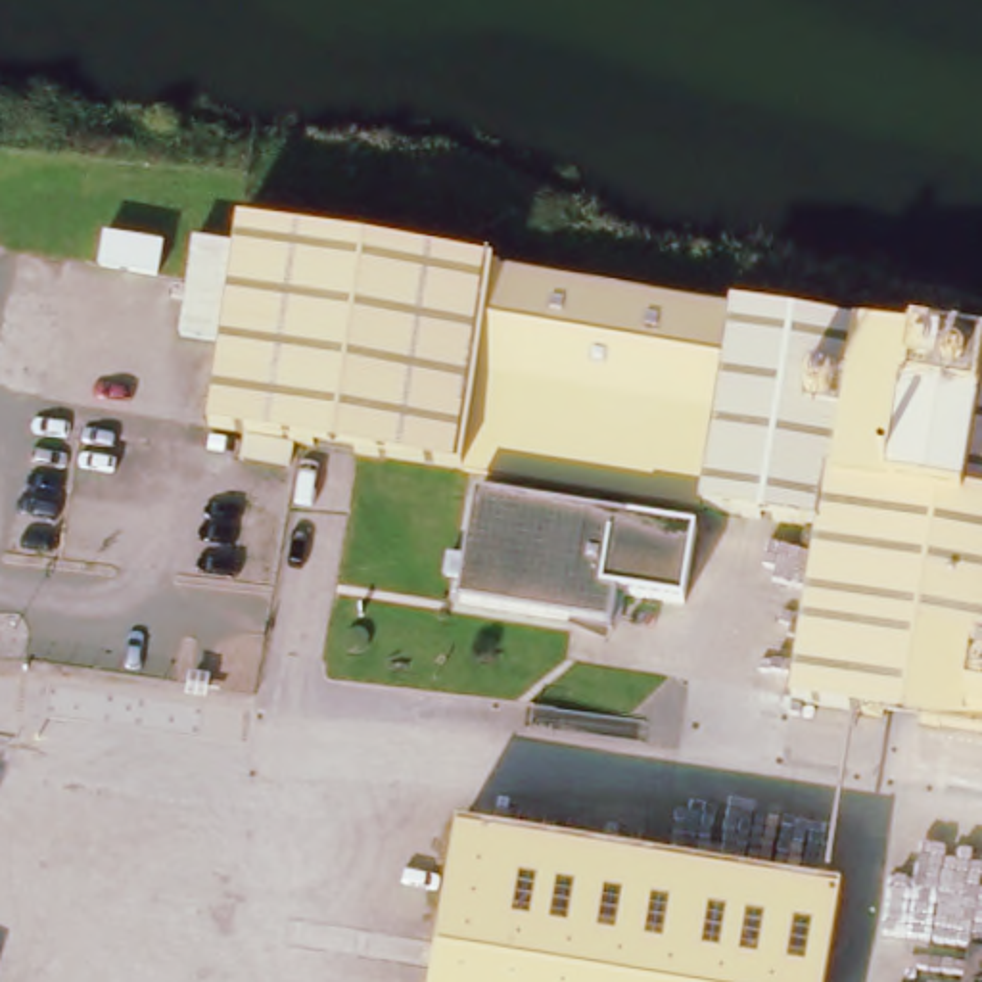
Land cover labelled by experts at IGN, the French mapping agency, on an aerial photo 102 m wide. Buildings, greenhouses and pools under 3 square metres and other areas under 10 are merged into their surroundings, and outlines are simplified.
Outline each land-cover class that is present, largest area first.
<instances>
[{"label":"impervious surface","instance_id":"1","mask_svg":"<svg viewBox=\"0 0 982 982\"><path fill-rule=\"evenodd\" d=\"M184 272L173 276L157 269L153 276H146L107 269L96 253L69 261L23 249L8 253L0 246V982H426L430 940L445 894L441 871L449 859L453 825L483 813L832 871L840 875V898L832 917L825 982H982V710L921 706L913 713L909 706L886 710L878 698H863L844 710L790 690L786 664L798 641V598L763 583L760 564L775 552L783 575H802L809 560L806 526H779L771 514H725L702 499L690 503L698 533L690 552V579L683 583V606H660V618L652 621H621L610 637L572 629L568 637V652L579 664L664 675V687L637 710H602L572 698H552L549 690L537 694V702H510L487 694L334 679L326 667V629L338 602L334 591L341 583V556L353 518V479L364 456L341 441H326L322 449L303 445L288 426L280 433L242 437V430L207 426V372L215 349L203 338L180 330Z\"/></svg>","mask_w":982,"mask_h":982},{"label":"building","instance_id":"2","mask_svg":"<svg viewBox=\"0 0 982 982\"><path fill-rule=\"evenodd\" d=\"M180 330L203 338L215 349L207 372V426L242 430V437L280 433L288 426L303 445L322 449L326 441H341L364 456L449 468L464 476L468 522L456 537V579H449L456 614L541 625L568 637L572 629L610 637L621 621H652L660 618V606H683V583L690 579V552L698 533L690 503L702 499L725 514H771L779 526H806L809 560L802 575H783L775 552L760 564L763 583L798 598V641L786 664L790 690L844 710L863 698H878L886 710L909 706L913 713L921 706L982 710V315L913 307H832L767 292L698 295L614 276L522 265L495 257L491 246L476 242L269 207H234L230 234H192L184 272ZM96 253L107 269L146 276H153L157 269V234L111 226L100 230ZM445 894L430 940L426 982H825L832 917L840 898V875L832 871L483 813L453 825L449 859L441 871Z\"/></svg>","mask_w":982,"mask_h":982},{"label":"water","instance_id":"3","mask_svg":"<svg viewBox=\"0 0 982 982\"><path fill-rule=\"evenodd\" d=\"M50 81L81 100H134L146 107H169L176 119L222 123L238 130V138L280 142L276 127H303L311 142H364L376 150H395L410 157L414 173L426 176L430 188H456L460 196L479 199L491 215L518 222L533 219L537 230H602L614 238L660 246L667 253H729L737 265H779L802 246L817 257H848L913 280L921 288L913 307L982 315V0H0V92L27 96L35 84Z\"/></svg>","mask_w":982,"mask_h":982},{"label":"herbaceous vegetation","instance_id":"4","mask_svg":"<svg viewBox=\"0 0 982 982\"><path fill-rule=\"evenodd\" d=\"M280 142L238 138L249 150V173L207 165L199 157L161 161L146 153L111 157L81 150L0 146V246L8 253L23 249L69 261L96 253L100 230L111 226L157 234V269L173 276L184 272L192 234H230L234 207H269L476 242L491 246L495 257L522 265L614 276L698 295L767 292L832 307H913L921 288L913 280L848 257H817L802 246L779 265H737L729 253H667L660 246L614 238L602 230H537L533 219L518 222L491 215L479 199L460 196L456 188H430L426 176L414 173L410 157L395 150H376L364 142H311L303 127H276ZM468 522L464 476L449 468L364 456L353 479V518L341 556V583L334 591L338 602L326 629V667L334 679L487 694L510 702H537V694L549 690L552 698H572L602 710H637L664 687V675L579 664L568 652V637L541 625L456 614L449 579H456V537Z\"/></svg>","mask_w":982,"mask_h":982},{"label":"brushwood","instance_id":"5","mask_svg":"<svg viewBox=\"0 0 982 982\"><path fill-rule=\"evenodd\" d=\"M0 146L81 150L111 157L146 153L161 161L199 157L207 165L249 173V150L238 138V130L222 123L176 119L169 107H146L134 100H81L50 81L35 84L27 96L0 92Z\"/></svg>","mask_w":982,"mask_h":982}]
</instances>
